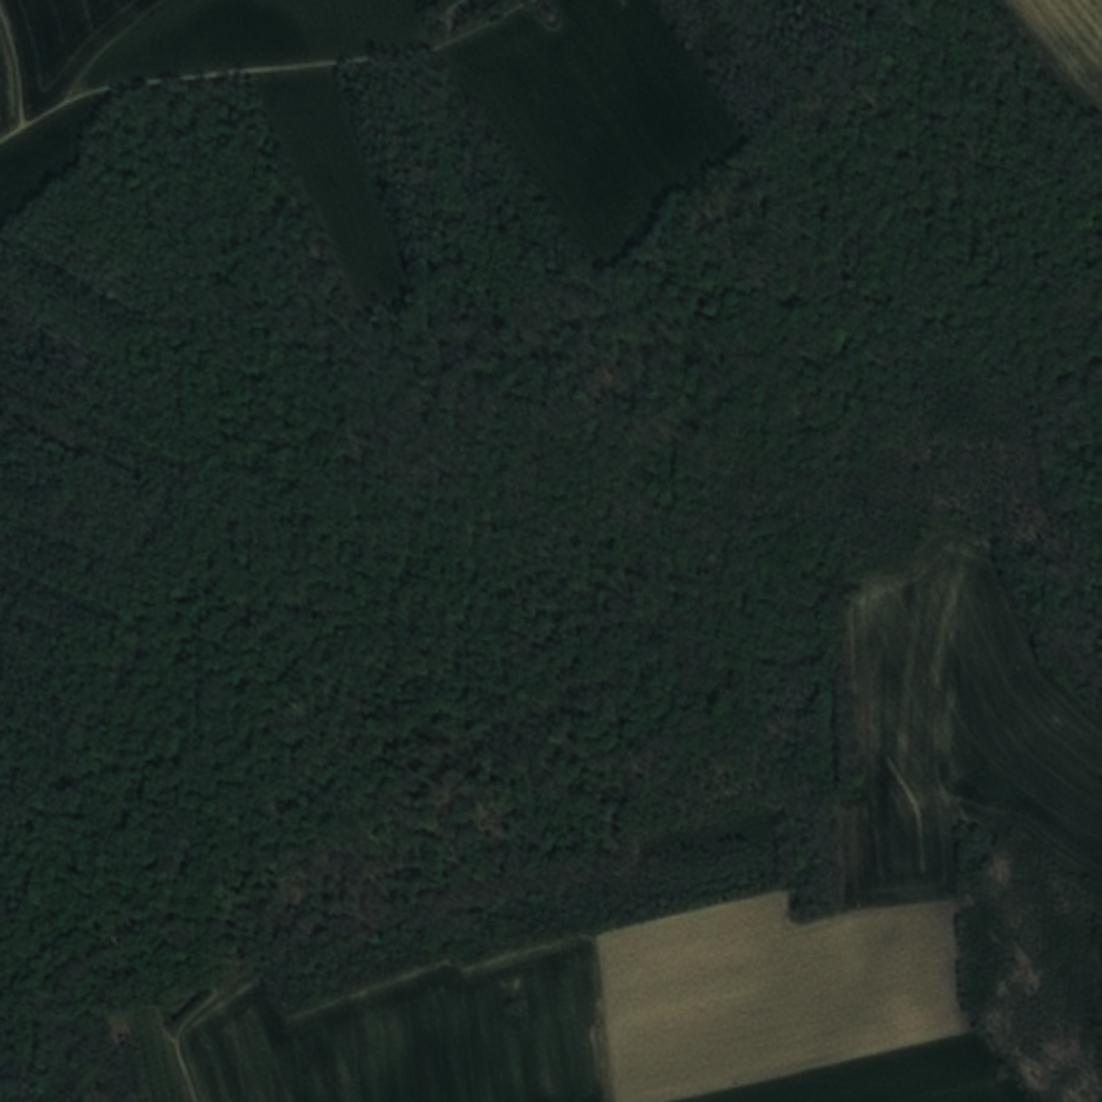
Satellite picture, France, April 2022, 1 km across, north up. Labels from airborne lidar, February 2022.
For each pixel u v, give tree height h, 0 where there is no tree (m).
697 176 0
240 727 19
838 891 23
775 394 23
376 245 0
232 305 23
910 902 0
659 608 23
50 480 23
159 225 22
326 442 22
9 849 9
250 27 0
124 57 0
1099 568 17
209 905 24
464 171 24
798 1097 0
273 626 22
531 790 21
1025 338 21
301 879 27
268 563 19
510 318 24
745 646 16
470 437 24
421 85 20
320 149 0
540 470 23
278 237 25
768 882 19
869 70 27
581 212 0
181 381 22
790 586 20
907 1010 0
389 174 16
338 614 20
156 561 20
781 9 19
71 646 21
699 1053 0
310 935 27
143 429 20
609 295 20
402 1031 0
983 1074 0
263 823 23
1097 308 23
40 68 0
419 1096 0
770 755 21
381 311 22
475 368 27
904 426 19
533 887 23
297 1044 0
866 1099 0
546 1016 0
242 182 22
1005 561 21
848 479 17
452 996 0
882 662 0
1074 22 0
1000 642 0
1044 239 23
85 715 24
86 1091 20
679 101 0
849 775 23
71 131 0
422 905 21
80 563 20
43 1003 24
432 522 22
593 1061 0
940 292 22
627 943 0
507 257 25
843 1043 0
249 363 21
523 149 0
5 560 20
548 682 22
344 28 0
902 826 0
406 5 0
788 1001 0
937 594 0
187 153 23
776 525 22
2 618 18
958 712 0
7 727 19
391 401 18
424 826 26
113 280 22
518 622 18
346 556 18
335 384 18
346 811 26
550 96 0
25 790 23
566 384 25
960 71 22
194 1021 0
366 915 22
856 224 21
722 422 27
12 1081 21
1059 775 0
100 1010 21
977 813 0
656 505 24
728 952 0
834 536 18
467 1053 0
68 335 16
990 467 18
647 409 25
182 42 0
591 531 23
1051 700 0
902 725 0
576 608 21
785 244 20
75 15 0
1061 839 0
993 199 25
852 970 0
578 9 0
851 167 19
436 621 23
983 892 6
